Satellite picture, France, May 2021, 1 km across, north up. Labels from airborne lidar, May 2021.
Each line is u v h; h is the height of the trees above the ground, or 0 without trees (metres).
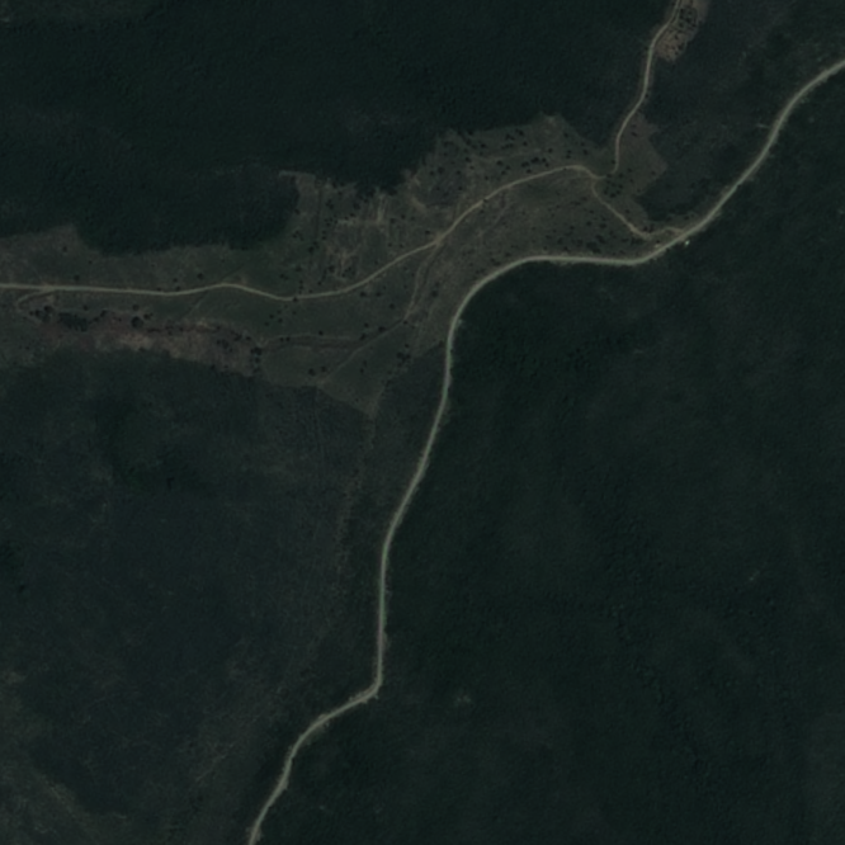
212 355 0
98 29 9
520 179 0
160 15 7
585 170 0
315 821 6
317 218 0
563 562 6
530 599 7
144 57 5
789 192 5
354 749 6
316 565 0
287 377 0
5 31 5
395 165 5
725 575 6
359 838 8
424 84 6
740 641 10
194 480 6
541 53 6
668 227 0
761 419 5
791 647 5
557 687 5
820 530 8
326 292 0
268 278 0
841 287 6
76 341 0
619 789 6
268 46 5
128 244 7
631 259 0
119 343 0
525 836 6
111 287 0
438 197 0
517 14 6
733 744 7
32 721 0
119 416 6
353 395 0
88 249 0
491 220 0
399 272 0
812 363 6
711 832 9
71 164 7
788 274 7
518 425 6
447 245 0
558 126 0
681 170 0
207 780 0
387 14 6
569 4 6
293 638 0
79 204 6
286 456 0
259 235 6
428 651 6
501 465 6
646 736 6
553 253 0
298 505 0
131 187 6
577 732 6
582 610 10
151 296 0
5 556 7
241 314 0
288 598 0
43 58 6
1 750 0
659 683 13
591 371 7
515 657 6
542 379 8
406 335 0
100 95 6
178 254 0
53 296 0
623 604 8
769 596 6
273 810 10
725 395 6
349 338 0
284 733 6
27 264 0
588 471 9
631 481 7
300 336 0
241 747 0
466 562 8
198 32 6
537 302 6
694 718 6
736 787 6
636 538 6
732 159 6
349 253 0
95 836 0
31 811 0
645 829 8
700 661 8
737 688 6
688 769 10
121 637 0
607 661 7
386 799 6
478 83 5
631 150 0
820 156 5
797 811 6
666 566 6
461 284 0
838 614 6
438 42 6
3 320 0
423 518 6
